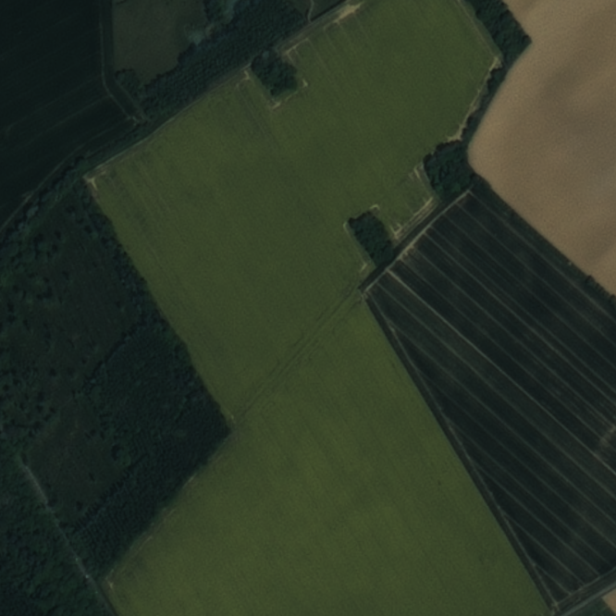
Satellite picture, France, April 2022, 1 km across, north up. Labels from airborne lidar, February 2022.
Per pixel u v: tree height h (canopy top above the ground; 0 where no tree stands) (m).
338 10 0
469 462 0
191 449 24
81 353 0
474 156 0
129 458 13
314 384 0
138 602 0
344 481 0
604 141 0
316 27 0
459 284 0
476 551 0
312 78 0
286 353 0
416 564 0
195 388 18
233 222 0
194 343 0
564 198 0
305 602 0
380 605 0
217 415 18
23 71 0
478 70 0
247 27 24
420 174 0
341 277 0
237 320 0
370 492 0
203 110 0
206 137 0
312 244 0
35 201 0
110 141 0
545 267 0
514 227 0
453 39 0
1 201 0
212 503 0
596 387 0
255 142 0
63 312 0
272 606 0
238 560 0
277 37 20
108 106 0
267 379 0
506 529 0
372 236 21
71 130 0
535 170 0
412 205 0
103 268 0
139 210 0
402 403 0
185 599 0
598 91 0
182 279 0
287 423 0
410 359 0
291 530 0
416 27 0
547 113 0
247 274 0
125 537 30
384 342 0
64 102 0
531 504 0
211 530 0
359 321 0
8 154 0
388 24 0
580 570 0
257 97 0
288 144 0
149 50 0
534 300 0
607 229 0
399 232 0
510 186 0
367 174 0
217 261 0
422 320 0
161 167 0
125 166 0
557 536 0
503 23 18
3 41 0
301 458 0
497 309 0
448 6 0
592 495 0
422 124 0
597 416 0
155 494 24
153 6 0
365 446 0
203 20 0
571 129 0
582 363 0
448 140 0
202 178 0
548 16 0
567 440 0
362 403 0
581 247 0
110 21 0
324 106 0
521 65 0
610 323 0
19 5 0
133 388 17
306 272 0
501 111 0
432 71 0
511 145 0
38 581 21
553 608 0
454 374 0
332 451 0
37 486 0
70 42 0
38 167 0
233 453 0
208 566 0
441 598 0
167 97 19
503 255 0
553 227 0
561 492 0
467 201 0
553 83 0
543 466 0
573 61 0
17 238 18
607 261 0
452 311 0
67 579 25
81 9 0
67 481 0
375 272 0
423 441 0
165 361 19
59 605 22
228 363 0
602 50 0
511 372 0
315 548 0
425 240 0
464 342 0
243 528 0
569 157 0
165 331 20
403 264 0
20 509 22
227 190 0
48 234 0
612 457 0
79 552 19
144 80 0
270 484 0
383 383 0
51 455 0
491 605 0
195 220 0
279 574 0
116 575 0
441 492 0
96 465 0
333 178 0
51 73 0
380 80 0
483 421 0
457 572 0
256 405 0
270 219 0
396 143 0
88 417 0
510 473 0
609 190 0
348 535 0
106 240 24
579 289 0
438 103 0
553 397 0
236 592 0
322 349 0
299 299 0
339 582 0
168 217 0
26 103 0
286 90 16
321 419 0
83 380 0
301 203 0
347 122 0
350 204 0
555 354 0
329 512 0
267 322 0
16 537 21
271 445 0
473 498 0
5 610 28
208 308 0
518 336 0
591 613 0
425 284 0
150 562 0
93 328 0
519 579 0
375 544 0
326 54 0
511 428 0
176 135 0
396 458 0
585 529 0
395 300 0
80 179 15
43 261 24
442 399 0
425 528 0
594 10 0
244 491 0
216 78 18
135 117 0
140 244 0
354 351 0
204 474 0
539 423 0
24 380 24
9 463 19
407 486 0
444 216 0
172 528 0
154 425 20
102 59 0
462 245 0
